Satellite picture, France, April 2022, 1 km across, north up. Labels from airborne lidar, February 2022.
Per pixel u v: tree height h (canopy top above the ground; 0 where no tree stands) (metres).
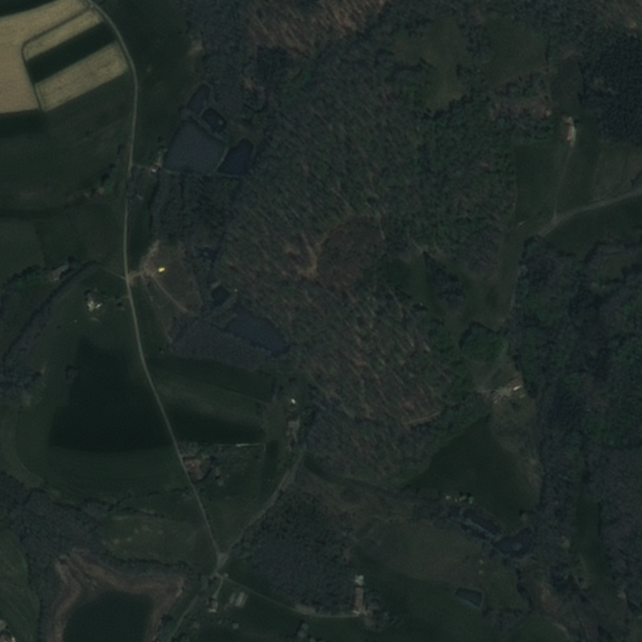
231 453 10
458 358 24
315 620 0
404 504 0
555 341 23
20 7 0
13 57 0
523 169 0
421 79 22
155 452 0
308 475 0
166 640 0
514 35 0
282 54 23
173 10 0
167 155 0
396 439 30
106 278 0
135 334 0
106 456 0
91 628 0
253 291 28
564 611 0
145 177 17
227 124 0
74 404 0
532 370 20
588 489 19
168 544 0
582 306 28
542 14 18
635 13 26
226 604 0
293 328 25
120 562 8
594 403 29
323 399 23
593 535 0
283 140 29
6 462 0
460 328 0
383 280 9
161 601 0
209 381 0
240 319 0
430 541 0
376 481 19
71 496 0
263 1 27
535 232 0
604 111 23
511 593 0
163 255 0
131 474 0
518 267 0
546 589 0
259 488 0
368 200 31
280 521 0
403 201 31
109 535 0
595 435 21
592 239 0
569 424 30
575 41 26
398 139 31
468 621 0
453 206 27
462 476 0
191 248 15
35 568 19
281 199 28
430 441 35
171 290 0
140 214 0
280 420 0
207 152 0
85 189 0
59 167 0
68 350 0
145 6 0
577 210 0
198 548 0
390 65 27
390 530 0
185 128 0
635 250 17
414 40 11
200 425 0
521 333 22
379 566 0
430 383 28
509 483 0
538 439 0
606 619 0
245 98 24
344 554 12
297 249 29
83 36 0
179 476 0
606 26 21
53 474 0
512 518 0
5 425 0
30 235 0
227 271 23
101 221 0
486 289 0
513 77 0
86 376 0
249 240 27
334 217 27
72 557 0
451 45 0
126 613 0
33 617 0
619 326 25
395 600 0
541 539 19
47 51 0
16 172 0
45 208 0
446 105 0
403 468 31
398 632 0
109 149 0
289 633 0
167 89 0
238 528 0
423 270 0
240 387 0
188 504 0
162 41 0
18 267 0
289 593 10
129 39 0
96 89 0
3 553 0
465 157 25
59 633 0
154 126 0
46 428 0
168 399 0
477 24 24
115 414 0
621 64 24
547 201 0
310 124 30
